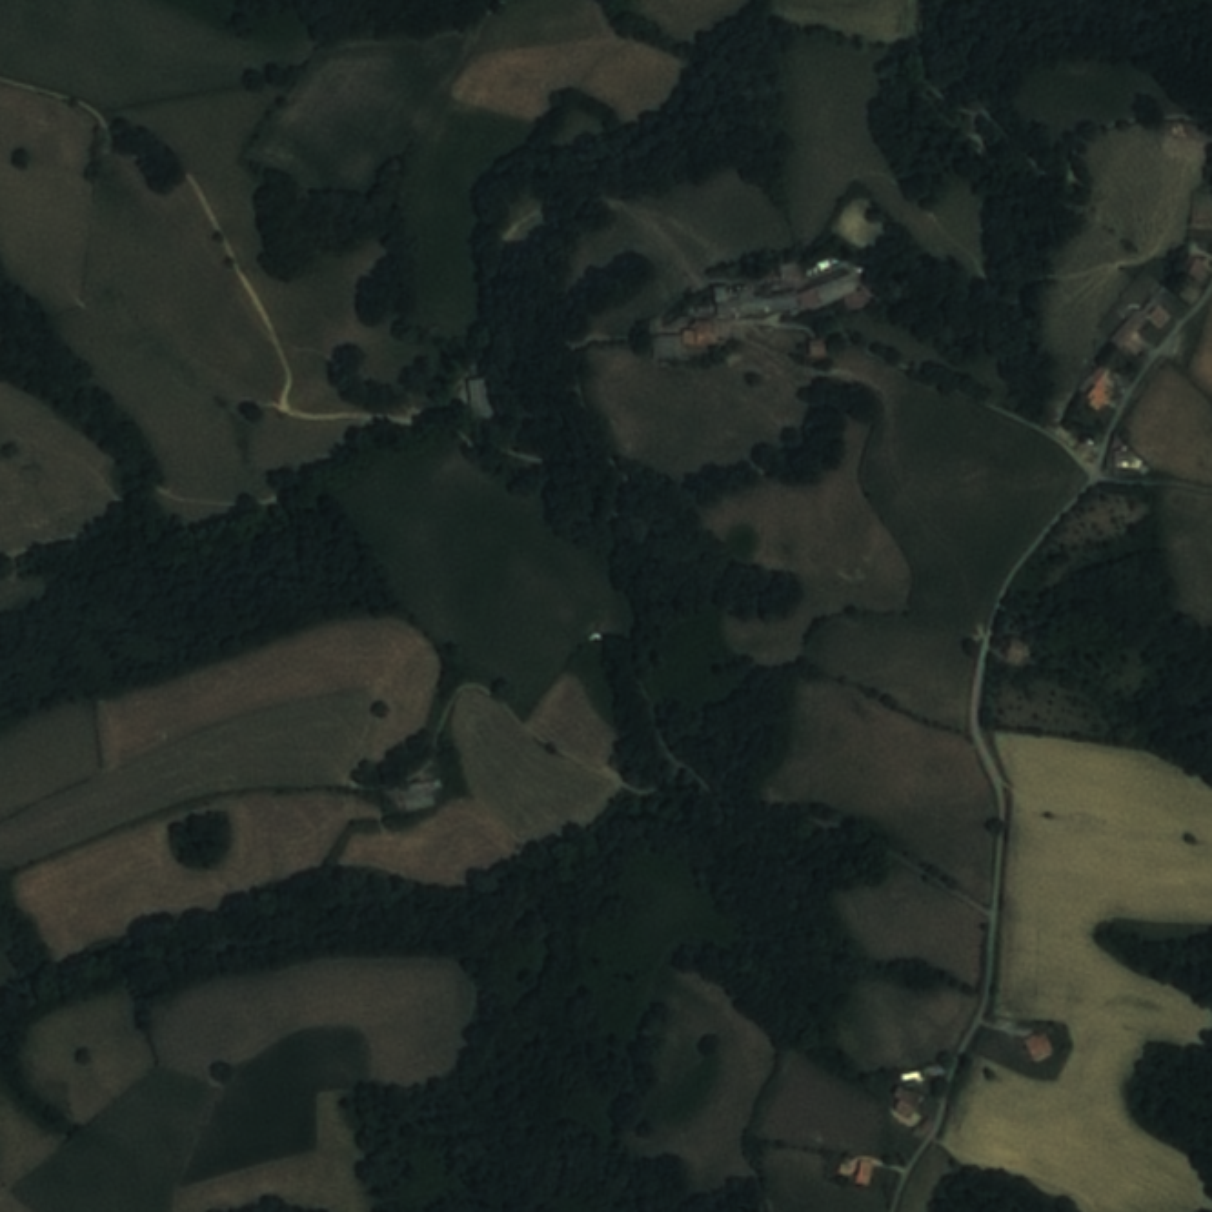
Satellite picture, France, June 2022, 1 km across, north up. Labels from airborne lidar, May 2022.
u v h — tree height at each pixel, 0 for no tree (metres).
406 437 22
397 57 0
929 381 13
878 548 0
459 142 0
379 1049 0
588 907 12
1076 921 0
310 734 0
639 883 0
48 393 13
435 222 0
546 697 0
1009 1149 0
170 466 0
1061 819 0
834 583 0
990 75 12
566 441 24
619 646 19
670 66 0
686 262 0
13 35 0
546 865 13
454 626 0
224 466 0
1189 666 26
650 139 22
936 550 0
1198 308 0
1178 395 0
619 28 15
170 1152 0
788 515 0
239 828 0
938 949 0
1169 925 0
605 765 0
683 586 24
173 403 0
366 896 22
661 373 0
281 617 11
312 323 0
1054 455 0
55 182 0
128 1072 0
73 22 0
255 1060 0
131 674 9
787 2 0
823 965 15
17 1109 0
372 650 0
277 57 0
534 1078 20
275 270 16
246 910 27
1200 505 0
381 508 0
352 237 20
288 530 9
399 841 0
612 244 0
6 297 21
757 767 15
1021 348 22
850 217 0
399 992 0
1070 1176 0
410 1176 25
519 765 0
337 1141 0
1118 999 0
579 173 22
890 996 0
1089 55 15
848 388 14
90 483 0
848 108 0
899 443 0
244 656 0
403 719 0
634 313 0
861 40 14
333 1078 0
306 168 0
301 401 0
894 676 0
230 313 0
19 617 8
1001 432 0
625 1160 12
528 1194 22
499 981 12
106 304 0
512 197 19
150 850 0
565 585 0
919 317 14
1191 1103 17
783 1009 11
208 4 0
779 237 0
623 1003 0
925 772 0
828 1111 0
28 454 0
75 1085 0
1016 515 0
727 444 0
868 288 12
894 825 0
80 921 0
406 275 26
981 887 0
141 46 0
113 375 0
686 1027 0
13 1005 24
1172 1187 0
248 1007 0
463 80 0
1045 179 12
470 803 0
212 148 0
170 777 0
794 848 16
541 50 0
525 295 22
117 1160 0
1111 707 10
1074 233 11
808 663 7
